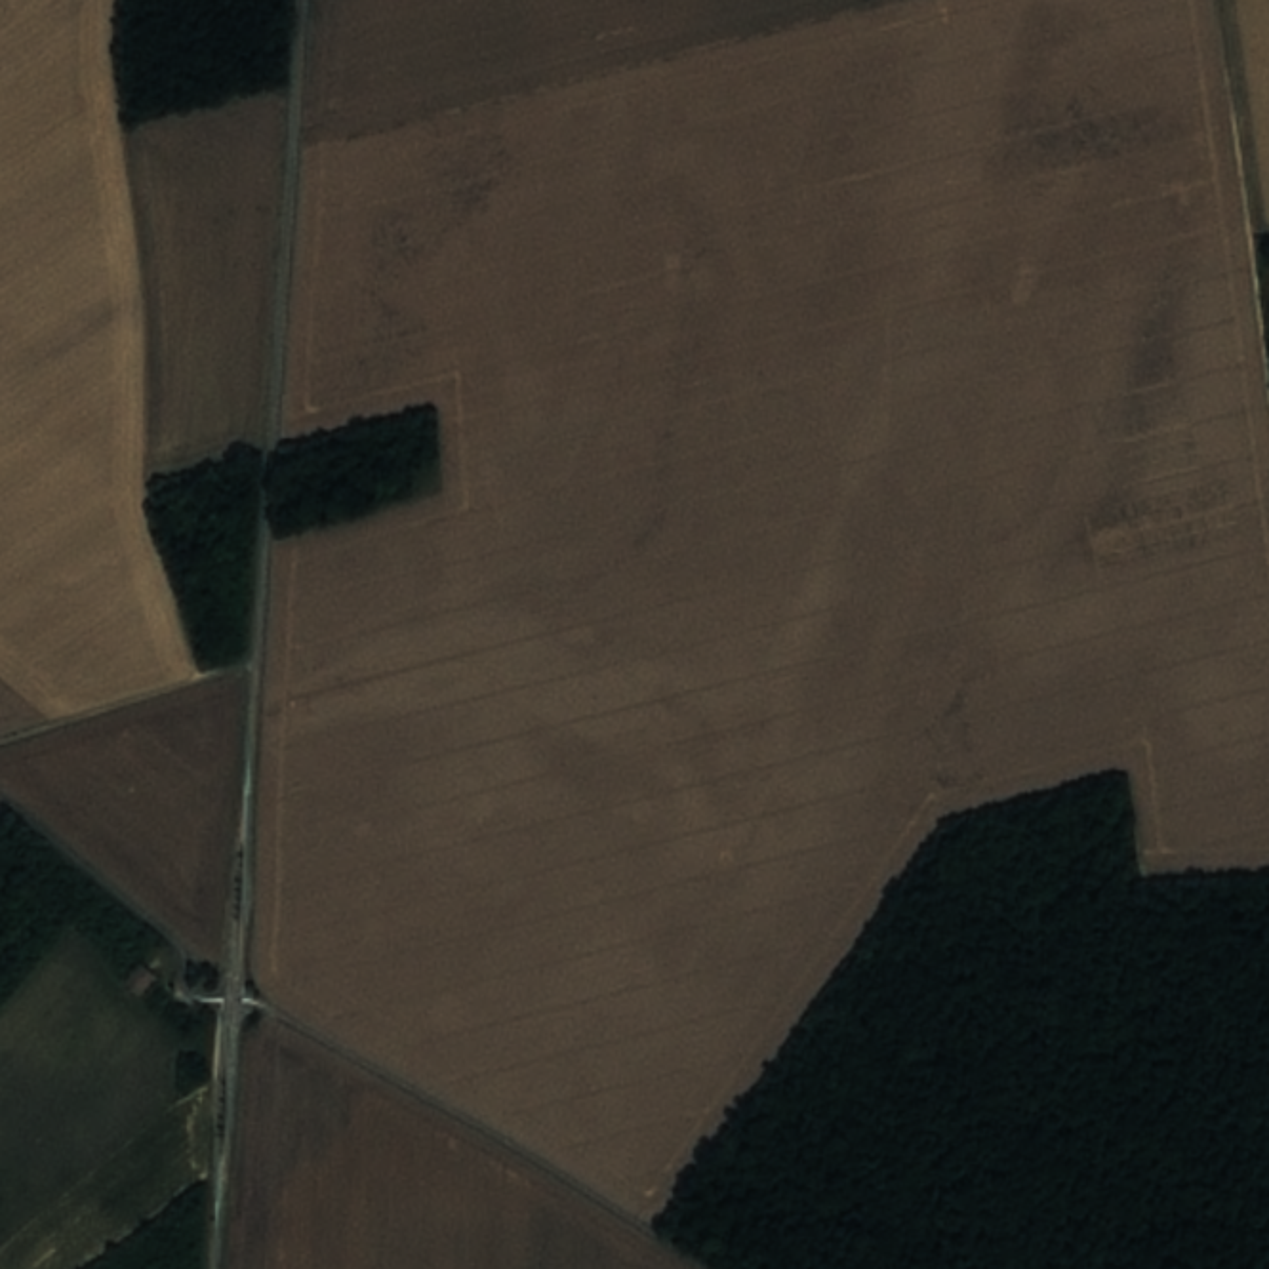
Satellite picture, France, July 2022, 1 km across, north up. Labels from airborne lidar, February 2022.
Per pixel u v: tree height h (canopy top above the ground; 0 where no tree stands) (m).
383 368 0
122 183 0
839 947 0
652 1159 0
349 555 0
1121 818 14
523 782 0
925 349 0
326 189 0
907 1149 17
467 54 0
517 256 0
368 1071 0
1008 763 0
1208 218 0
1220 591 0
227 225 0
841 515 0
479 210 0
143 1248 5
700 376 0
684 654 0
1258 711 0
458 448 0
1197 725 0
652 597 0
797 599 0
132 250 0
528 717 0
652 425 0
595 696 0
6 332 0
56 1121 0
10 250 0
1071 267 0
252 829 0
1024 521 0
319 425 0
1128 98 0
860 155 0
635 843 0
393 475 22
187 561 16
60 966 0
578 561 0
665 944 0
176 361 0
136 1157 0
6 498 0
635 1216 0
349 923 0
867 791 0
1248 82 0
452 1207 0
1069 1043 15
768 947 0
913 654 0
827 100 0
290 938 0
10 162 0
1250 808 0
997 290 0
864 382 0
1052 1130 17
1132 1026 12
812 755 0
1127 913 19
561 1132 0
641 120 0
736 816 0
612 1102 0
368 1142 0
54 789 0
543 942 0
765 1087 7
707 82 0
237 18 17
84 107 0
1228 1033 13
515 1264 0
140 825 0
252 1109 0
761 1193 16
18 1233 0
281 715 0
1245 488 0
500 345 0
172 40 15
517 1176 0
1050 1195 18
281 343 0
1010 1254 18
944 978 17
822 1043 16
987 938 17
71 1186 0
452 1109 0
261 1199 0
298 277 0
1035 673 0
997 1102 18
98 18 0
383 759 0
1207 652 0
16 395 0
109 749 0
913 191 0
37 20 0
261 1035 0
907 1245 14
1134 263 0
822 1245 11
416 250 0
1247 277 0
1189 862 0
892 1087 19
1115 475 0
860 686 0
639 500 0
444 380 0
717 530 0
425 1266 0
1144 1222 18
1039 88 0
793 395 0
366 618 0
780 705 0
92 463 0
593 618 0
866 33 0
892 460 0
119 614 0
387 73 0
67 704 0
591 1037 0
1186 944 18
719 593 0
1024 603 0
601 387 0
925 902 14
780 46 0
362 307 0
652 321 0
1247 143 0
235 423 0
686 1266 0
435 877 0
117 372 0
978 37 0
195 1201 10
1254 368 0
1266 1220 13
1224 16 0
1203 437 0
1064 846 15
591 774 0
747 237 0
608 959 0
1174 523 0
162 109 9
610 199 0
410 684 0
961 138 0
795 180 0
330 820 0
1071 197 0
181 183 0
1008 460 0
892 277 0
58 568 0
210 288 0
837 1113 12
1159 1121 17
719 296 0
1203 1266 9
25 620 0
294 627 0
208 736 0
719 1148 15
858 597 0
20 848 10
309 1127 0
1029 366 0
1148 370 0
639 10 0
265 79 16
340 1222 0
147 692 0
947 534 0
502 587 0
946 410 0
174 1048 0
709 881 0
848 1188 16
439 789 0
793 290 0
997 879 17
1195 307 0
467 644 0
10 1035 0
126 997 0
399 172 0
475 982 0
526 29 0
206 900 0
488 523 0
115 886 0
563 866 0
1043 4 0
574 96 0
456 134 0
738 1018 0
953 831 7
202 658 8
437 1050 0
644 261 0
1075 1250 21
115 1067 0
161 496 13
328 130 0
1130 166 0
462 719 0
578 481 0
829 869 0
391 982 0
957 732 0
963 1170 18
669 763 0
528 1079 0
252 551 10
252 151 0
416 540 0
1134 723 0
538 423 0
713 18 0
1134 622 0
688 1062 0
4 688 0
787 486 0
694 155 0
